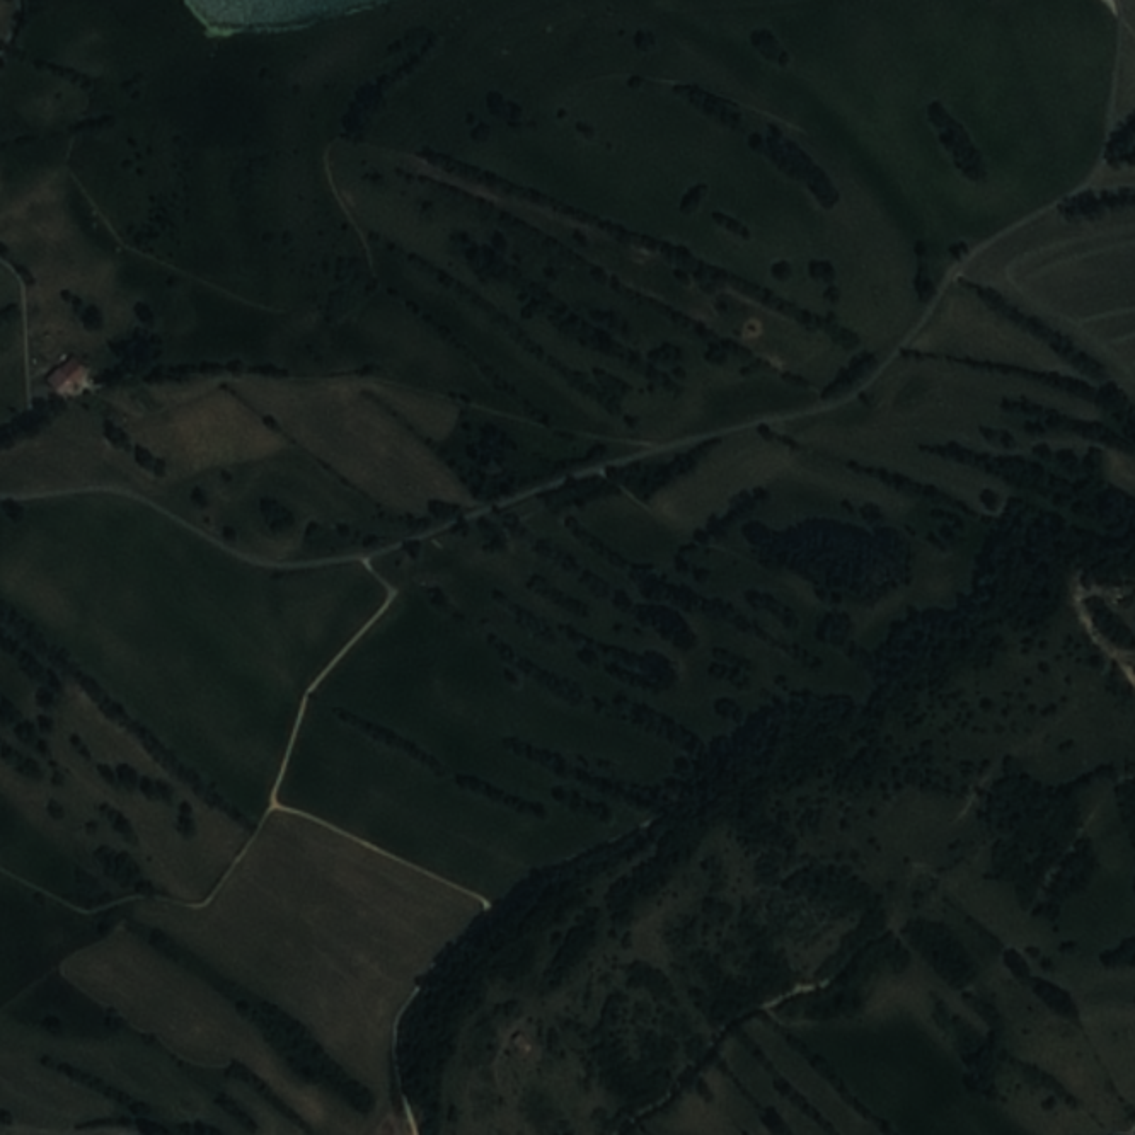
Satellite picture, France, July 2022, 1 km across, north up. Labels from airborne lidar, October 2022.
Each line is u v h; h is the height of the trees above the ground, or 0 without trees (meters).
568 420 0
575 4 0
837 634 17
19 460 0
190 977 0
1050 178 0
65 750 0
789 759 7
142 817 0
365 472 0
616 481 11
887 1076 0
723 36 0
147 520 0
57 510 0
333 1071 8
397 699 0
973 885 0
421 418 0
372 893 0
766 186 0
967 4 0
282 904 0
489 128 12
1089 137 0
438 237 0
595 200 0
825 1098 0
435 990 11
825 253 0
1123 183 0
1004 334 0
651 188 0
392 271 0
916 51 0
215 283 0
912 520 0
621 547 0
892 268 0
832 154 0
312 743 0
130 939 0
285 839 0
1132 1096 0
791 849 9
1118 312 0
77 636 0
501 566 0
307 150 0
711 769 26
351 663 0
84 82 9
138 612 0
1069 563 14
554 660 0
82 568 0
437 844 0
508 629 0
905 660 11
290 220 0
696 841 5
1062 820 6
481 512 0
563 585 0
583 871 8
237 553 0
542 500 6
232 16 0
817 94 0
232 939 0
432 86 0
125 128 0
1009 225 0
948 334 0
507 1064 0
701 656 0
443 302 0
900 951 8
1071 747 6
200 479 0
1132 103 0
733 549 0
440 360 0
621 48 0
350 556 0
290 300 0
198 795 15
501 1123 0
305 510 0
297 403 0
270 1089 8
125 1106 6
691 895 0
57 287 0
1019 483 12
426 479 0
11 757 16
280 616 0
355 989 0
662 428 0
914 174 0
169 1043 0
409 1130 0
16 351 0
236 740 0
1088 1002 0
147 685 0
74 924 0
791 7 0
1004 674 0
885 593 8
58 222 0
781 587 0
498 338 0
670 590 15
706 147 0
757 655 0
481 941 18
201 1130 14
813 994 7
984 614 7
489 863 0
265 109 0
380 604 0
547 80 0
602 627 0
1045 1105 6
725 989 6
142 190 0
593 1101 0
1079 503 15
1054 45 0
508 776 0
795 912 6
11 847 0
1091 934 0
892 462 0
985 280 0
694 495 0
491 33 0
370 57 0
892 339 0
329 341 0
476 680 0
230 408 0
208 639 0
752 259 0
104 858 8
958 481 0
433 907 0
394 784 0
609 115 0
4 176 0
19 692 0
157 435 0
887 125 0
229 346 0
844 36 0
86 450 0
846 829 8
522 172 0
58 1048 0
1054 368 0
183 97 0
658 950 0
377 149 0
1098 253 0
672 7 0
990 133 0
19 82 0
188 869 0
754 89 0
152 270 0
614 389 9
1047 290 0
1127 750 0
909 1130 0
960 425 0
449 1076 0
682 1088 10
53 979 0
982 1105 0
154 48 0
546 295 7
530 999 0
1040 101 0
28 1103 0
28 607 0
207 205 0
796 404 0
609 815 18
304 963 0
